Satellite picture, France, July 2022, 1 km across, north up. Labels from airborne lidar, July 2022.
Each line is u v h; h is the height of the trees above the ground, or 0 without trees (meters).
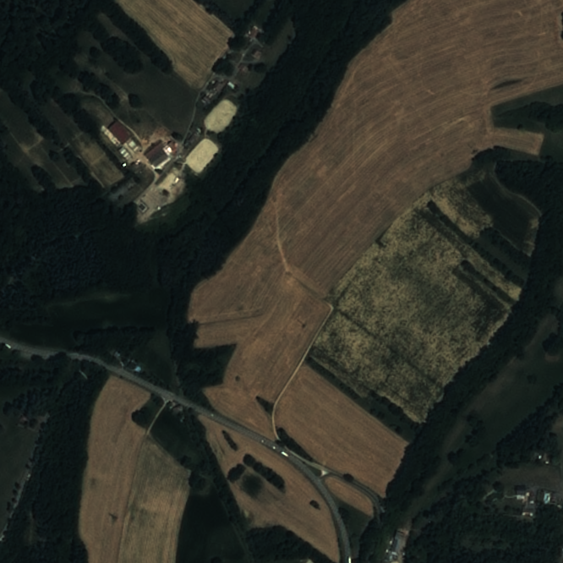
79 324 0
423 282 0
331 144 0
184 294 17
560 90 0
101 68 0
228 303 0
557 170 21
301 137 25
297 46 18
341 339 0
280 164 21
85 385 18
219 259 24
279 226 0
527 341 14
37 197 17
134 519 0
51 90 20
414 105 0
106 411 0
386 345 0
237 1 0
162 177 0
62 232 16
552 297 7
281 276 0
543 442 25
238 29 16
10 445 0
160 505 0
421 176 0
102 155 0
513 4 0
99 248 20
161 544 0
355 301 0
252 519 0
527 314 35
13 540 12
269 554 14
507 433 0
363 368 0
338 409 0
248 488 0
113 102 22
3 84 23
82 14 25
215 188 17
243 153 25
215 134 8
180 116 0
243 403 0
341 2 25
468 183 0
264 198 19
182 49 0
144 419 19
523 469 0
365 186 0
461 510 16
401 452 0
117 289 22
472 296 0
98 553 0
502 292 6
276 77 21
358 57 0
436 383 0
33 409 22
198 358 12
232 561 0
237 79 0
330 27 26
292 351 0
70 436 14
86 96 0
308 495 0
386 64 0
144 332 18
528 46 0
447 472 0
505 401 0
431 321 0
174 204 0
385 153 0
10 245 27
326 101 19
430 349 0
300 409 0
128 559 0
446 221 11
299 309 0
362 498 0
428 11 0
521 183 21
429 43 0
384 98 0
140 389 0
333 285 0
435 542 19
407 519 0
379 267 0
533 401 0
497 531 7
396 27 0
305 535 0
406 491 24
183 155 0
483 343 0
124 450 0
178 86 0
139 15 0
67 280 30
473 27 0
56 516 25
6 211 27
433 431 20
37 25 28
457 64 0
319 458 0
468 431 0
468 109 0
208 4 24
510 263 0
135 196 0
